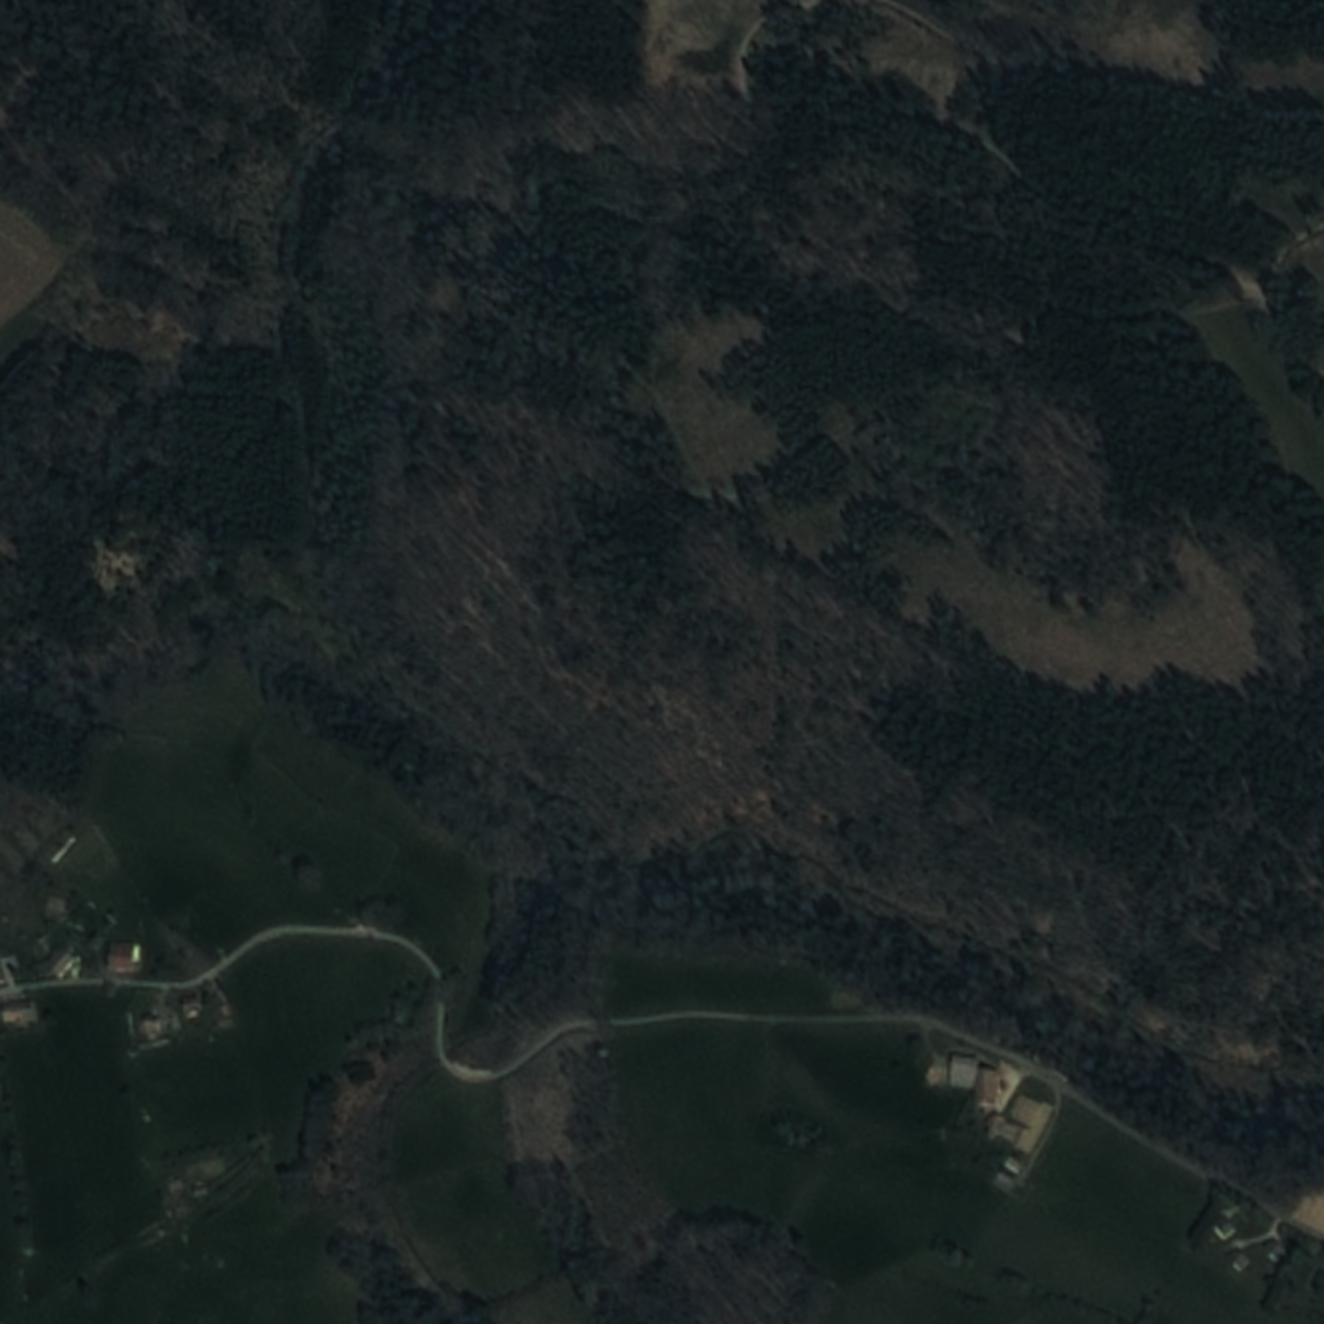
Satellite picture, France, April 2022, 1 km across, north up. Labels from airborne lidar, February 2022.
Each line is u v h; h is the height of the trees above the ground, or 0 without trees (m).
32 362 20
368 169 25
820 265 24
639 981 0
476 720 31
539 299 36
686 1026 0
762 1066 0
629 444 13
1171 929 14
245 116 22
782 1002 0
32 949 0
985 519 20
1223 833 21
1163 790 24
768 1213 0
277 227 15
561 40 27
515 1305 7
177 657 28
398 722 26
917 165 26
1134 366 26
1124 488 22
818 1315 26
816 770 21
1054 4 30
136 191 11
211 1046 0
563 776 18
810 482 31
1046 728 30
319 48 25
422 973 0
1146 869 25
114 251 26
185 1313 0
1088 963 28
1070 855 14
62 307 0
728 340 0
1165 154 21
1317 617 21
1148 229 23
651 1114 0
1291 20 27
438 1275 0
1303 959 21
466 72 19
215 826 0
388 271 21
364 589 22
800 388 27
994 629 0
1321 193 26
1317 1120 21
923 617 0
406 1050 7
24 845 0
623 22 24
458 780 19
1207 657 0
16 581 24
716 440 0
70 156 24
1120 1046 13
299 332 19
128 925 0
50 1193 0
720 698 15
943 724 21
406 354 22
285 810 0
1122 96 23
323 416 20
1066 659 0
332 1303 0
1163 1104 26
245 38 15
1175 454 22
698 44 0
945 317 26
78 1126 0
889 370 26
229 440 36
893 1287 0
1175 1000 23
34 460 34
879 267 22
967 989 14
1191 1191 0
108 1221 0
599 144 18
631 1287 26
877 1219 0
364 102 19
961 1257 13
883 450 12
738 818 25
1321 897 17
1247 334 0
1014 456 28
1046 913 23
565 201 25
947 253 20
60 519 27
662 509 17
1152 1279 0
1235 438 29
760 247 26
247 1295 0
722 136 25
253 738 0
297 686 24
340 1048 0
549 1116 0
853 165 23
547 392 21
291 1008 0
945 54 0
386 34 20
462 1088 0
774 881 23
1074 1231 0
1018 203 20
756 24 0
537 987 21
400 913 17
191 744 0
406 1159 0
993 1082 0
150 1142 0
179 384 24
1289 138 24
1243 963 17
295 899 0
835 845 27
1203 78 0
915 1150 0
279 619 22
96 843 0
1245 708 29
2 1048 0
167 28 22
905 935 15
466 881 0
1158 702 21
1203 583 0
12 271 0
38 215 17
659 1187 0
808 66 21
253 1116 0
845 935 14
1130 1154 0
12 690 25
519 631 22
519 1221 0
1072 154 23
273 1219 0
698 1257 29
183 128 27
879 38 8
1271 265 20
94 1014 0
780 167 19
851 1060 0
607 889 24
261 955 0
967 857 24
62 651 32
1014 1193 0
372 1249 14
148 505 29
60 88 19
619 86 26
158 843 0
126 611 11
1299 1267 14
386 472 24
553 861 20
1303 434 0
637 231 21
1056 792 23
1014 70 29
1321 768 32
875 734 24
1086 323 22
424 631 18
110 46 22
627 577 16
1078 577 21
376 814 0
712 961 14
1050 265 22
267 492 33
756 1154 0
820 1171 0
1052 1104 0
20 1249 0
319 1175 24
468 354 21
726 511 16
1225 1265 0
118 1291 0
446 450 27
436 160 23
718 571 25
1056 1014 10
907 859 24
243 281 13
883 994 14
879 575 30
